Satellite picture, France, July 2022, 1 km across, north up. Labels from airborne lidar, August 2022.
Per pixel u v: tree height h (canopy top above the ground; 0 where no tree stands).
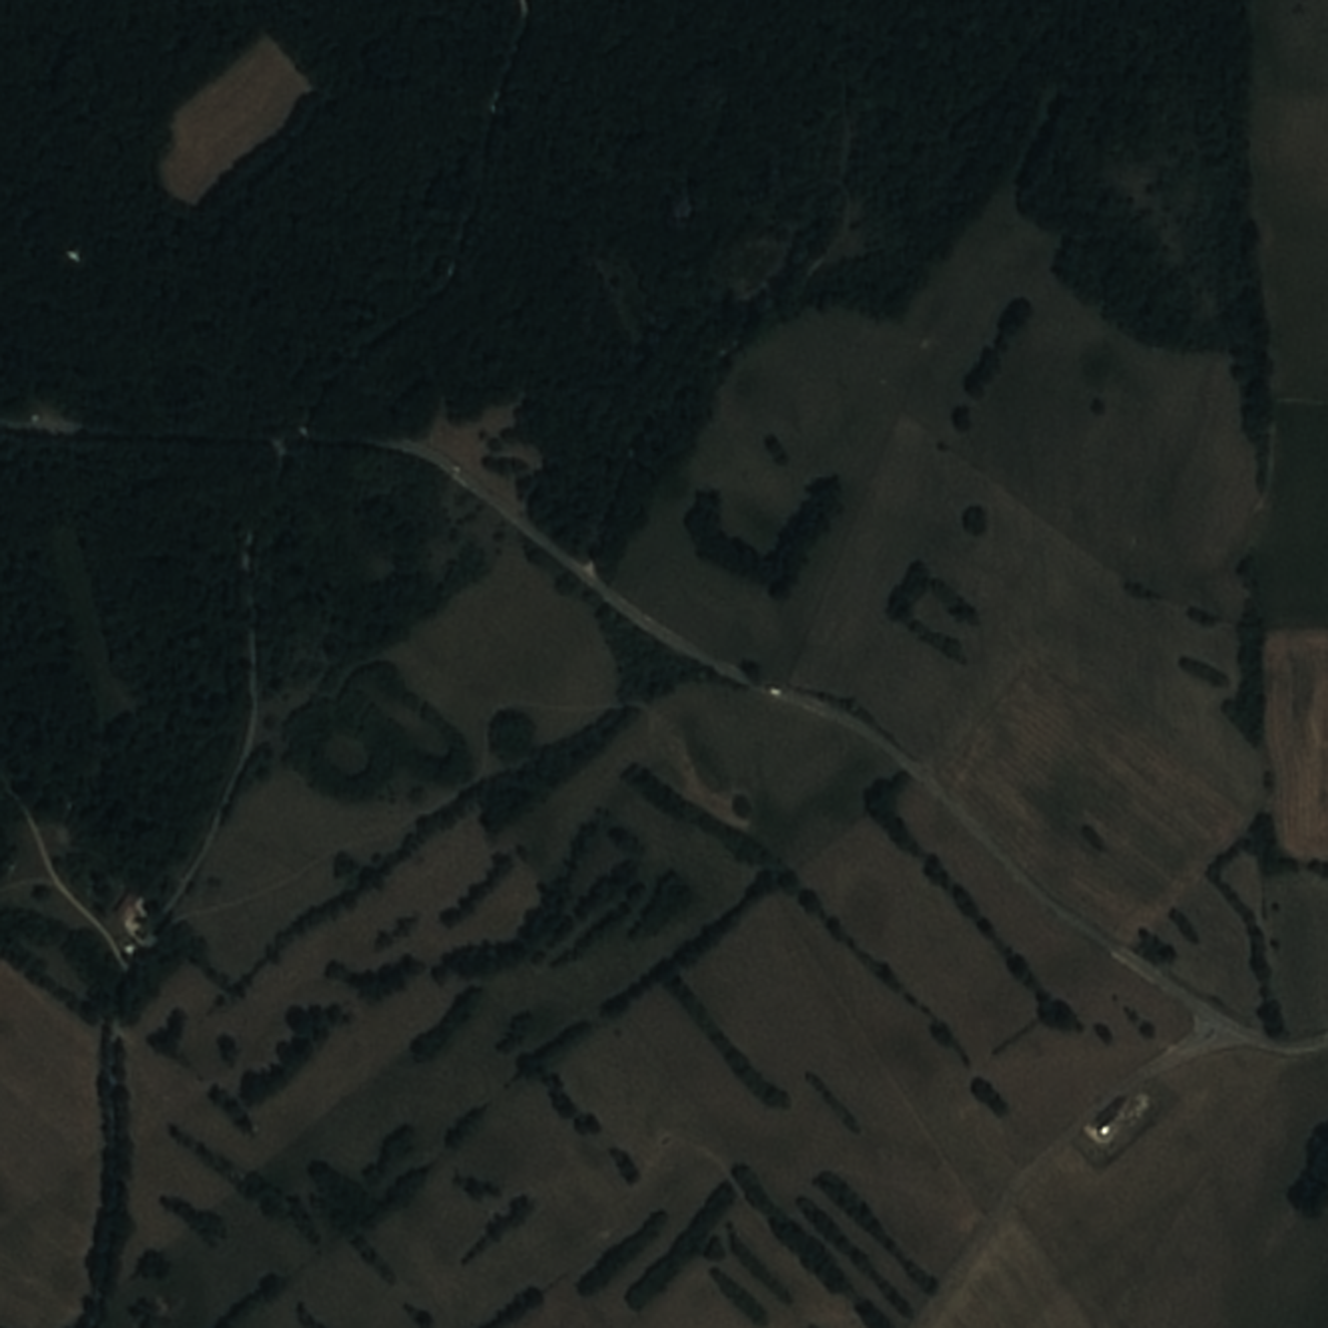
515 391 13
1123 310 8
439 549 0
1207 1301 0
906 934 0
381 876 9
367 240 13
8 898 0
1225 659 0
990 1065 0
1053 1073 0
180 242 17
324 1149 0
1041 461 0
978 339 0
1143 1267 0
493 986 0
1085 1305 0
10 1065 0
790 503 0
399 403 16
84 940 5
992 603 0
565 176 17
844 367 0
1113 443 0
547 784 10
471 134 12
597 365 17
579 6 15
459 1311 0
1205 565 0
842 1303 0
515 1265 0
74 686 18
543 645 0
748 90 18
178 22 14
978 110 9
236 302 18
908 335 0
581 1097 0
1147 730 0
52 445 12
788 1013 0
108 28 19
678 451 18
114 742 14
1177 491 0
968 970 0
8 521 17
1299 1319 0
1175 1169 0
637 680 7
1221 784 0
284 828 0
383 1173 8
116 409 21
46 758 15
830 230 9
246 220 16
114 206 17
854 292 8
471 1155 0
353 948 0
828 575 0
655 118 16
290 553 14
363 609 10
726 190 17
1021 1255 0
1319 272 0
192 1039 0
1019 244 0
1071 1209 0
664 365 15
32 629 19
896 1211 0
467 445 0
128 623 14
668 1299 0
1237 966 0
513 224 15
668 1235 0
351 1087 0
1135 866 0
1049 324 0
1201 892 0
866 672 0
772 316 6
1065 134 20
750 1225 0
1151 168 0
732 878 0
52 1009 0
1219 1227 0
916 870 0
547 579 0
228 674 15
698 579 0
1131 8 15
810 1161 0
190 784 9
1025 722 0
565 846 0
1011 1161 0
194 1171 0
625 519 15
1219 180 6
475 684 0
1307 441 0
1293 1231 0
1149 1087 0
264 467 19
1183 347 9
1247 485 0
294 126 11
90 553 13
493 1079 0
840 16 18
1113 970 0
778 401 0
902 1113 0
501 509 0
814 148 8
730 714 0
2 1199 0
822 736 0
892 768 0
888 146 12
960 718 0
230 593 12
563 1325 0
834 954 0
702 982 0
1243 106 15
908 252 7
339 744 0
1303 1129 0
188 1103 0
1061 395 0
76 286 18
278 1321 0
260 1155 0
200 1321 0
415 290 16
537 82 14
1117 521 0
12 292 17
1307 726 0
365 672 7
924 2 20
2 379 15
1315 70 0
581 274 16
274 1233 0
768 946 0
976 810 0
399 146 13
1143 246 12
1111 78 16
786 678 0
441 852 0
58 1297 0
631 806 0
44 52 12
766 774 0
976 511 6
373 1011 0
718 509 10
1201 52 20
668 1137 0
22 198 18
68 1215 0
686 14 18
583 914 10
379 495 13
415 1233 0
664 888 7
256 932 0
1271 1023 12
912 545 0
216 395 12
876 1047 0
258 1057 0
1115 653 0
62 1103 0
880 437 0
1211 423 0
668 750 0
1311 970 0
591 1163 0
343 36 18
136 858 11
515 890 0
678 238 20
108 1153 10
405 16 16
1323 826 0
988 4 16
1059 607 0
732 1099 0
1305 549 0
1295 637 0
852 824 0
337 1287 0
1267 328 16
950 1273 0
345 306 23
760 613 0
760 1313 5
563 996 0
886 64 21
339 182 14
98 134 18
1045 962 0
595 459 13
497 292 19
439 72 17
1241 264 13
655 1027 0
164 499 14
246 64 0
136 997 13
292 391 15
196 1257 0
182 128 0
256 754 7
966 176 19
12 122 17
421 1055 7
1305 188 0
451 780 5
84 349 17
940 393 0
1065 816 0
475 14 23
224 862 0
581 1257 0
